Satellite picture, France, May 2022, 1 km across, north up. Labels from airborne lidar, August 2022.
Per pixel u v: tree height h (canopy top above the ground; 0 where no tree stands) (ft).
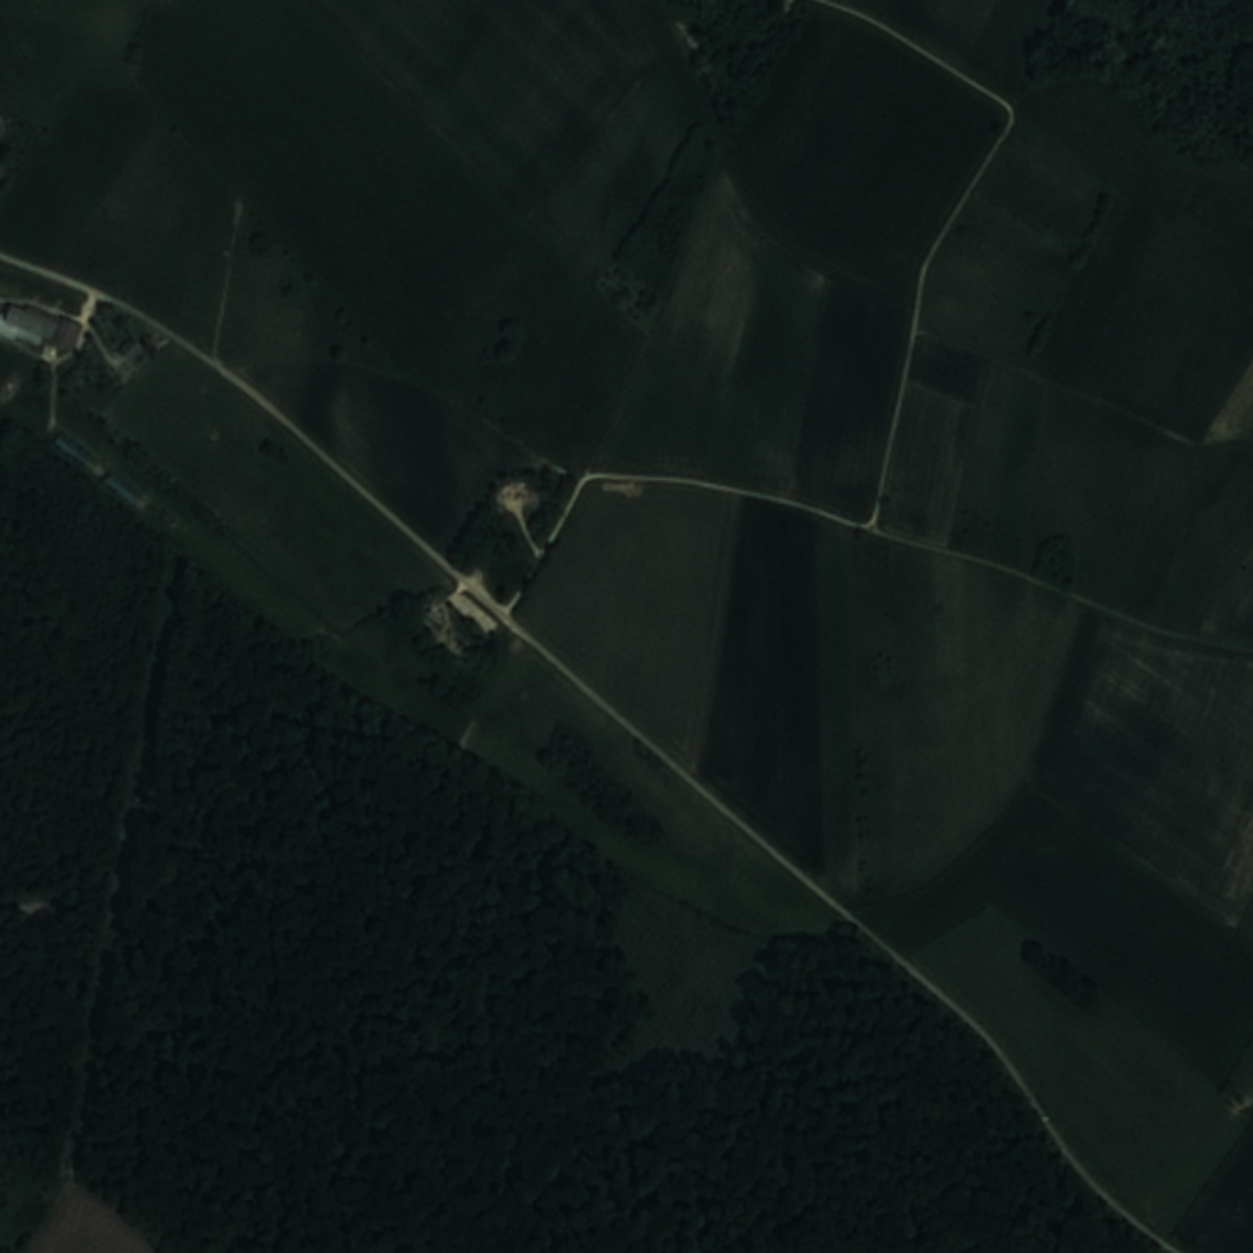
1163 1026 0
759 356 0
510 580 0
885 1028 86
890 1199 98
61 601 74
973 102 0
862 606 0
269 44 0
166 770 88
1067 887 0
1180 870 0
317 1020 94
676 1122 100
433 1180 94
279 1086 95
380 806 89
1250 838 0
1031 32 0
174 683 75
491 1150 88
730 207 0
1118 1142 0
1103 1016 0
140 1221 65
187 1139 91
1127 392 0
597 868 69
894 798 0
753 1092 80
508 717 0
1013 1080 22
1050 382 0
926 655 0
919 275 0
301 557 0
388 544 0
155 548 56
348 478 0
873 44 0
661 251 23
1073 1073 0
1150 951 0
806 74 0
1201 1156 0
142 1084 90
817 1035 77
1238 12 50
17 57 0
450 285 0
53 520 57
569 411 0
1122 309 0
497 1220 99
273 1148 95
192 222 0
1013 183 0
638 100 0
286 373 0
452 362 0
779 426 0
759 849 0
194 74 0
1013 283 0
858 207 0
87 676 66
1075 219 0
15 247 0
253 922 106
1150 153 0
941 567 0
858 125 0
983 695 0
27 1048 88
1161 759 0
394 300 0
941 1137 87
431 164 0
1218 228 0
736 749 0
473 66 0
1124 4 55
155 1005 101
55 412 0
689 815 0
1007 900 0
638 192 0
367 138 0
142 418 0
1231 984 0
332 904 89
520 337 38
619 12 0
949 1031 77
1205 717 0
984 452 0
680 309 0
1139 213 0
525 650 0
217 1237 73
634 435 0
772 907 0
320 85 0
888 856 0
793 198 0
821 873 0
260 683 92
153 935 106
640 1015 86
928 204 0
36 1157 66
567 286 0
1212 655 0
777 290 0
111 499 31
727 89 25
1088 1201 89
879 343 0
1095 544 0
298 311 0
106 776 74
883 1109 79
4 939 73
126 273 0
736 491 0
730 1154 94
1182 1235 0
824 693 0
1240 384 0
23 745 71
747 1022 91
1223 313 0
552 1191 97
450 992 90
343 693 37
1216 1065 0
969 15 0
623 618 0
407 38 0
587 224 0
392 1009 100
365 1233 86
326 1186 82
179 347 0
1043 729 0
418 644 52
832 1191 89
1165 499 0
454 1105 88
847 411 0
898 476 0
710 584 0
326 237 0
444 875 95
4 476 66
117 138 0
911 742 0
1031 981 0
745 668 0
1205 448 0
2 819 67
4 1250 50
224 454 0
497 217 0
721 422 0
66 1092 93
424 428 0
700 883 0
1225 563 0
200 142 0
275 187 0
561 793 0
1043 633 0
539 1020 99
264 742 86
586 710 0
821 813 0
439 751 65
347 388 0
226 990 92
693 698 0
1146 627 0
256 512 0
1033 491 0
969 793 0
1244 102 46
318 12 0
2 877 61
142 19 0
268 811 81
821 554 0
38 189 0
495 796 73
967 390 0
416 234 0
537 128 0
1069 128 0
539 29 0
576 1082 87
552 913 97
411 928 88
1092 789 0
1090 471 0
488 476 0
